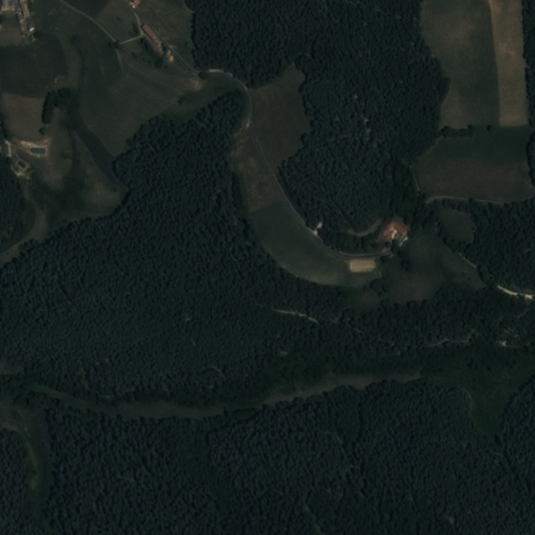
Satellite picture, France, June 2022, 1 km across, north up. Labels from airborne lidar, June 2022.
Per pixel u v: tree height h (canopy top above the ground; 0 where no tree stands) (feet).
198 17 86
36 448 0
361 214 60
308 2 78
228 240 97
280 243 0
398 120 52
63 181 0
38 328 82
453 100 0
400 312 77
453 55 0
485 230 86
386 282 69
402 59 62
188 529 22
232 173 38
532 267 55
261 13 53
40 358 91
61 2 0
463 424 86
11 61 0
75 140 0
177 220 100
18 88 0
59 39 0
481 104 0
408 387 73
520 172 0
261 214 0
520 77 0
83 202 0
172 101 0
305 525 77
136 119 0
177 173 73
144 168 69
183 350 66
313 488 22
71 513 94
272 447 92
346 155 59
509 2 0
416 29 65
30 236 0
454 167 0
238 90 27
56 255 80
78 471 62
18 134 0
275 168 0
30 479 87
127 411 0
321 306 90
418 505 59
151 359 73
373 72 49
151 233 74
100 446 97
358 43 42
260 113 0
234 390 79
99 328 55
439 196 0
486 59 0
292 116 0
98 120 0
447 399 88
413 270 55
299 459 74
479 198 0
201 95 0
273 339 72
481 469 99
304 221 0
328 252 0
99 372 88
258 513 80
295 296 62
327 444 85
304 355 21
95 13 0
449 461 87
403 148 63
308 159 59
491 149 0
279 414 78
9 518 76
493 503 91
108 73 0
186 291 64
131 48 0
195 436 51
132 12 0
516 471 69
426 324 74
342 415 59
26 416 0
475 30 0
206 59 63
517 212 87
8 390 45
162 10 0
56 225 0
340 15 67
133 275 90
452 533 54
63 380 80
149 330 60
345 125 74
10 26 0
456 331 94
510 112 0
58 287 89
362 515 65
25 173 0
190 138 37
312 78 57
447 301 54
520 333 41
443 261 0
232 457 82
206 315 48
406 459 65
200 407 23
